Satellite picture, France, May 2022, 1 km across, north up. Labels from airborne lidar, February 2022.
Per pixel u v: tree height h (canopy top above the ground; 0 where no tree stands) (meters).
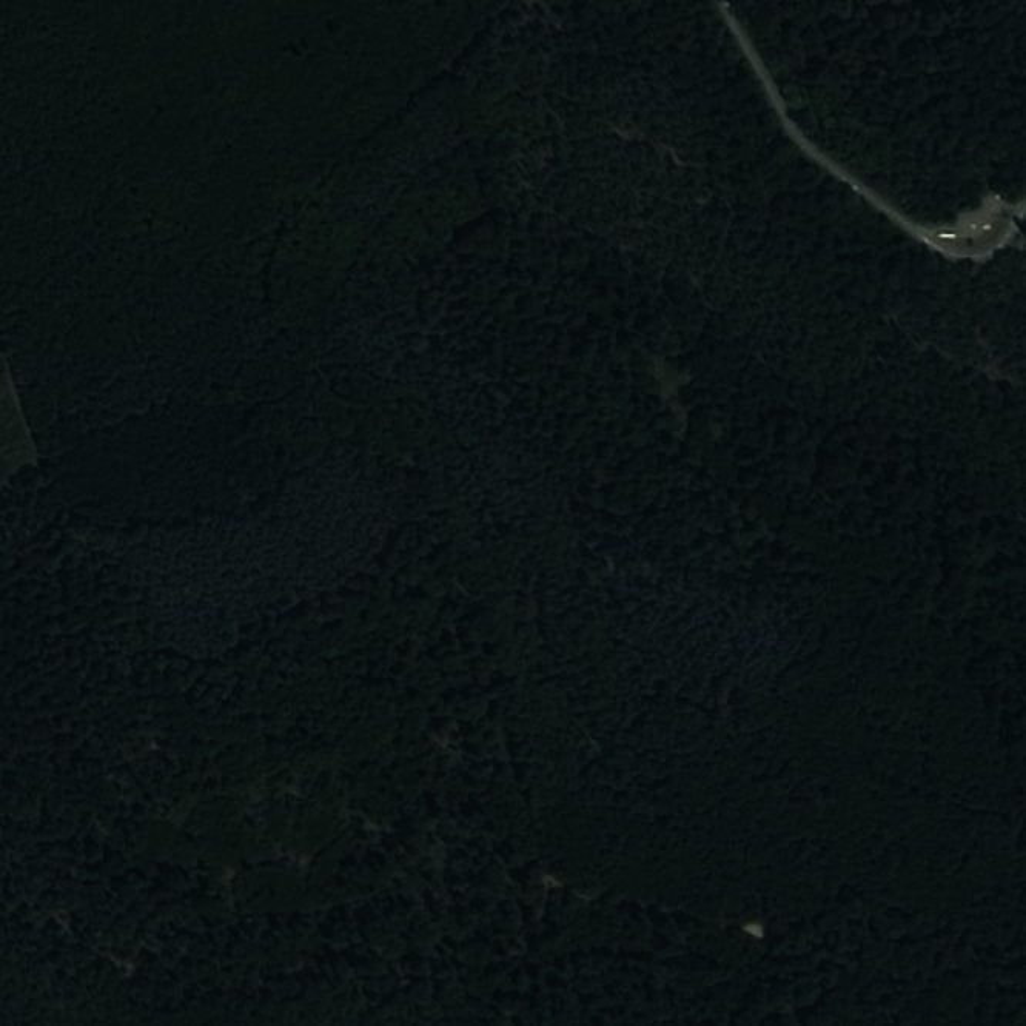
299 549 22
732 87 19
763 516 6
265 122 16
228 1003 20
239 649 26
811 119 21
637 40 20
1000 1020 25
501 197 36
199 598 22
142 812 22
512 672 17
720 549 30
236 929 5
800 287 22
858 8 43
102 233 19
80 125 17
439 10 26
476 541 25
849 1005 27
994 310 12
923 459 31
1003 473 28
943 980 29
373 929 33
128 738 23
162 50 13
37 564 22
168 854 7
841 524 26
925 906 18
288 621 29
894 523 30
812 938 15
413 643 27
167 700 24
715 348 37
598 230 14
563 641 25
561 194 16
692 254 16
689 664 27
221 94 17
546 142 17
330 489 23
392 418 19
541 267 33
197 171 19
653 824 25
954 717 21
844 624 23
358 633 26
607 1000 26
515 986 23
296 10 15
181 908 30
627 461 22
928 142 23
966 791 25
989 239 0
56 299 17
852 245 27
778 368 28
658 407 21
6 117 16
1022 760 31
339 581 12
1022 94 20
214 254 20
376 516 26
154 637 18
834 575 13
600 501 16
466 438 28
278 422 24
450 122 21
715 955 8
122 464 8
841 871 20
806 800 23
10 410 0
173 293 19
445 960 19
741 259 21
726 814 24
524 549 27
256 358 19
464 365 32
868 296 22
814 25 30
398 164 23
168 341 18
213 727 25
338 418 26
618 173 17
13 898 31
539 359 23
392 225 24
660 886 14
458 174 28
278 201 20
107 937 30
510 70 12
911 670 27
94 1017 20
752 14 29
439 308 30
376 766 12
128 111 16
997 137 25
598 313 6
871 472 30
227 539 26
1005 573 33
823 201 30
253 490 9
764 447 30
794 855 19
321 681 26
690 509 33
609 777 27
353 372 21
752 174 22
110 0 14
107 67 15
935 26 33
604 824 26
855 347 26
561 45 18
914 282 16
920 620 20
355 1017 21
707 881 14
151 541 23
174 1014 20
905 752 25
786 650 28
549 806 19
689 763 26
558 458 22
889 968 31
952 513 33
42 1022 21
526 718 26
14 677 24
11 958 17
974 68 19
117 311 21
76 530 21
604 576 37
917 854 19
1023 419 29
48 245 15
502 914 29
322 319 24
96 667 27
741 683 28
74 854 27
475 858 29
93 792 26
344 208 25
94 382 19
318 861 6
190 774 17
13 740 28
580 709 24
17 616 25
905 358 27
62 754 29
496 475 28
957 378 25
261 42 11
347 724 25
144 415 11
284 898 9
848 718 19
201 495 9
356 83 18
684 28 11
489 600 22
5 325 11
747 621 33
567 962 8
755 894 12
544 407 17
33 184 20
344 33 18
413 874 32
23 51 17
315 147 18
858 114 22
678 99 17
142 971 12
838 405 30
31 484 19
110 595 25
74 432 11
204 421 9
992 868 22
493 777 24
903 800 26
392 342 29
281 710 24
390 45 21
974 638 21
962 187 19
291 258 20
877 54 31
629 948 11
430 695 26
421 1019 20
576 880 22
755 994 26
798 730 18
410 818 36
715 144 17
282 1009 22
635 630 32
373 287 28
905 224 0
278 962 13
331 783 6
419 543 28
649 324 42
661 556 37
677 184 19
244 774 21
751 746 22
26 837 27
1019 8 26
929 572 28
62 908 30
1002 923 12
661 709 27
